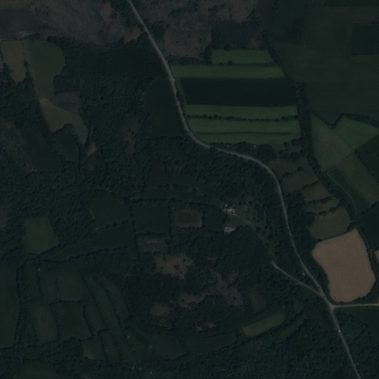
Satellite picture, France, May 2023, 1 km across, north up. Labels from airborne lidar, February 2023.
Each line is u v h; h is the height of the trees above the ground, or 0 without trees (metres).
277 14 0
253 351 7
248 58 0
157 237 17
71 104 0
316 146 0
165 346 0
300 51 0
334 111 0
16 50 0
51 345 10
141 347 0
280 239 15
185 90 0
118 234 0
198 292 13
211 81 0
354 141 0
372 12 0
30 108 10
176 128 0
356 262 0
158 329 16
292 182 0
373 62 0
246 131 0
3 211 0
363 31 0
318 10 0
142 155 20
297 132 0
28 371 0
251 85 0
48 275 0
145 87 17
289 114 0
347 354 9
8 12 0
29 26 0
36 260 11
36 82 0
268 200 17
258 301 0
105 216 0
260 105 0
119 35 0
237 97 0
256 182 13
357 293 0
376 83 0
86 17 0
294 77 0
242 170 17
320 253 0
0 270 0
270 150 10
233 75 0
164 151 7
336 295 0
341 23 0
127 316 0
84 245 0
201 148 15
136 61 6
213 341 0
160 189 11
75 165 15
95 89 6
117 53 6
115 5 9
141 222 0
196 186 0
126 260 16
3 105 17
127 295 6
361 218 0
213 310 16
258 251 15
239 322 19
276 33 0
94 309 0
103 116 8
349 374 6
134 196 11
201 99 0
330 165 0
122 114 6
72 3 0
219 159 25
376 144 0
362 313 0
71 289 0
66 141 0
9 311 0
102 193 15
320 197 0
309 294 11
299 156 13
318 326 11
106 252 13
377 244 0
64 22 0
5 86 15
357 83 0
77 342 17
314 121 0
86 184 13
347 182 0
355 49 0
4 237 12
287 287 11
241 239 14
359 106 0
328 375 6
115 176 6
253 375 11
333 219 0
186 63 11
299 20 0
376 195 0
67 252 0
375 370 6
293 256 17
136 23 7
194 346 0
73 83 5
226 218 10
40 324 0
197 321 13
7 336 0
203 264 11
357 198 0
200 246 15
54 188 8
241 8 0
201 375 9
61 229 15
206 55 10
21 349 16
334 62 0
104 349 7
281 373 11
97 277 9
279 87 0
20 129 13
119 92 13
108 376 11
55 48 0
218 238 14
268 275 16
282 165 0
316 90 0
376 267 9
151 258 15
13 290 0
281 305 6
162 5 0
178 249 14
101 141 12
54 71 0
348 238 0
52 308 8
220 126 0
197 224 0
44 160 0
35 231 0
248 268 16
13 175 13
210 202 0
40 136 0
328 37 0
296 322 10
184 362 22
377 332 0
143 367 9
